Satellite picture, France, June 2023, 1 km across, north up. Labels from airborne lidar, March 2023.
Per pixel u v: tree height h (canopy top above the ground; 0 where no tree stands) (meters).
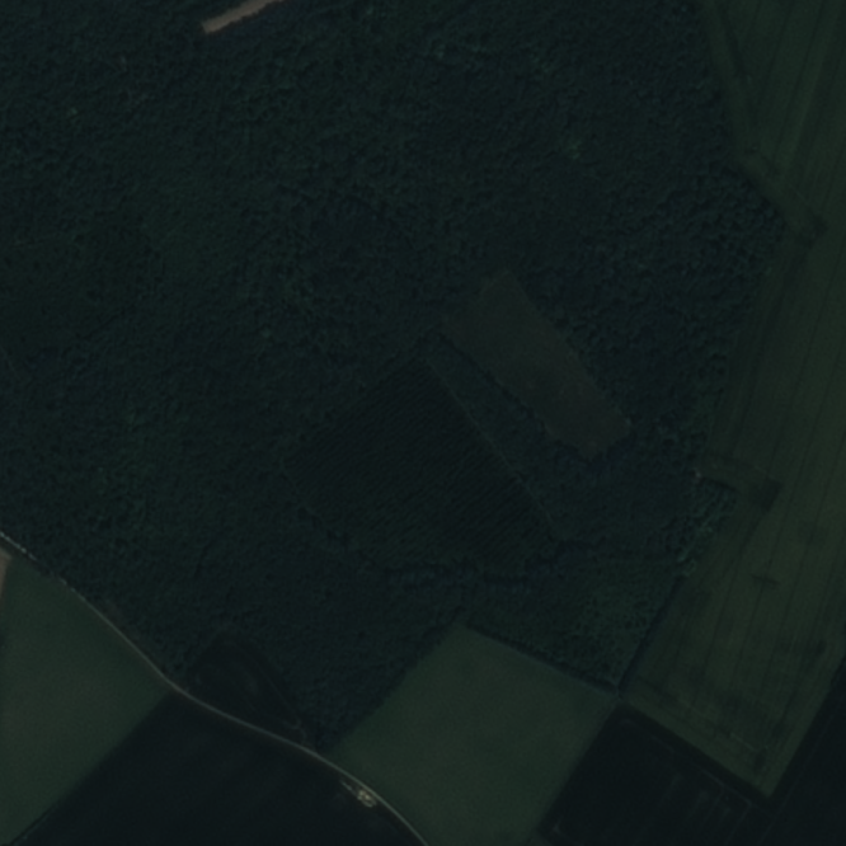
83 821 0
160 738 0
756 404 0
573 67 18
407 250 22
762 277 14
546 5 18
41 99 16
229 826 0
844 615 0
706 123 17
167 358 13
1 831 0
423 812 0
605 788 0
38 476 15
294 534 15
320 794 0
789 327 0
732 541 0
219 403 18
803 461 0
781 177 0
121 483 13
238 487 13
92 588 9
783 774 0
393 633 13
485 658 0
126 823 0
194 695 0
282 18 16
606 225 19
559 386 0
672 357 22
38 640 0
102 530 13
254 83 18
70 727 0
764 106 0
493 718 0
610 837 0
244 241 12
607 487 25
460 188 11
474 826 0
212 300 11
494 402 20
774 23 0
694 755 0
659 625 13
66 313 15
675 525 21
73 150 14
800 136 0
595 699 0
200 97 10
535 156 23
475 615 7
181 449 10
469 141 21
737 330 7
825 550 0
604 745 0
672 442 17
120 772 0
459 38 10
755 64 0
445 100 19
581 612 8
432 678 0
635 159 20
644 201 20
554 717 0
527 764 0
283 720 0
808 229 0
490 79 21
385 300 21
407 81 16
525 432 23
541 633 10
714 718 0
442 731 0
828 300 0
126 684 0
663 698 0
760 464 0
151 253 12
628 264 20
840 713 0
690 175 21
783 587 0
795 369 0
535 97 20
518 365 0
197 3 7
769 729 0
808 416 0
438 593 26
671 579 7
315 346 19
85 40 16
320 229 22
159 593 14
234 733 0
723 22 0
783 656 0
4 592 0
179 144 14
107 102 18
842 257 0
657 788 0
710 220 16
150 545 15
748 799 0
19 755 0
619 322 25
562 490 23
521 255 20
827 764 0
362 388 15
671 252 17
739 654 0
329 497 7
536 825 0
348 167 12
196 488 11
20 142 15
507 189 22
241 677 0
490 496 7
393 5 13
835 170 0
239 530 12
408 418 6
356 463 7
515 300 0
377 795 0
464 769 0
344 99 14
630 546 23
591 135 18
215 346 20
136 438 19
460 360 21
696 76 18
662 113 21
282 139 17
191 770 0
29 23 10
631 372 22
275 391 17
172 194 9
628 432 0
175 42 15
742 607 0
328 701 17
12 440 10
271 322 19
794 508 0
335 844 0
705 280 20
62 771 0
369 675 19
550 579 19
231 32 16
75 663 0
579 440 0
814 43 0
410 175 17
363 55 16
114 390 18
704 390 20
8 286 17
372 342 22
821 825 0
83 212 17
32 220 20
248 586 14
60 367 12
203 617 15
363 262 21
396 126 15
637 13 12
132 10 11
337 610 14
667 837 0
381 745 0
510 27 11
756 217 20
